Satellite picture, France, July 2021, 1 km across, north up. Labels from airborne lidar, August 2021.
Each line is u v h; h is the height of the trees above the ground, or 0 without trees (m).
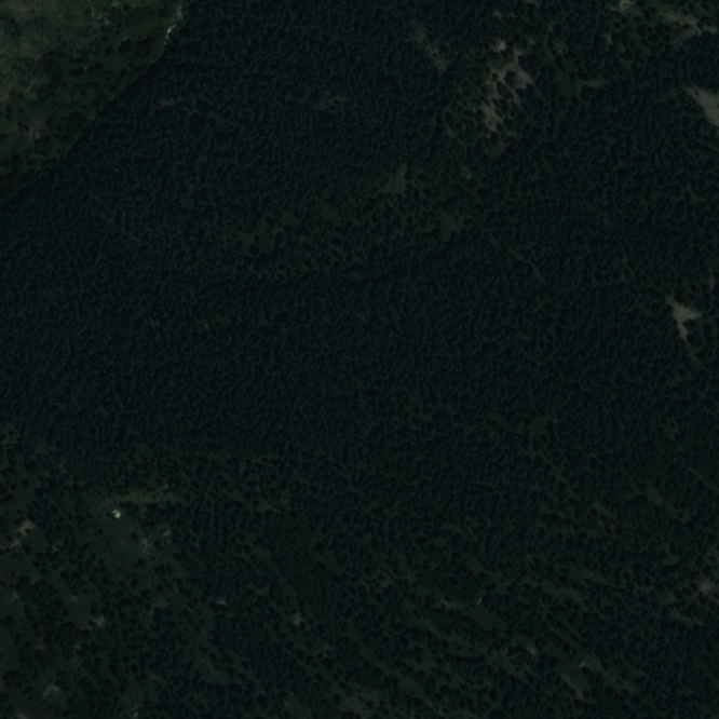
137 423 13
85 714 14
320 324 25
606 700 20
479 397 16
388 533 19
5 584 15
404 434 18
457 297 19
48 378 20
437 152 23
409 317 21
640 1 6
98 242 17
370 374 23
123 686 10
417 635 20
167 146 13
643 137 16
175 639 25
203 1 7
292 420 25
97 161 23
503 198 14
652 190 17
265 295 20
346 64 19
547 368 13
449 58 9
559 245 11
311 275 16
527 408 21
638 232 8
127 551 0
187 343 16
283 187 17
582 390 21
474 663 24
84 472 10
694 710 24
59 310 21
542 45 19
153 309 18
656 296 15
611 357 18
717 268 0
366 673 23
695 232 9
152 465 12
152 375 18
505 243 15
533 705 22
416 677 14
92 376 20
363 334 29
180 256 21
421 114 23
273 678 25
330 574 15
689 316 0
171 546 0
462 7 13
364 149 23
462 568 20
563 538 21
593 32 16
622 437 21
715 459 23
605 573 19
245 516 13
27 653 11
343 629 18
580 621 19
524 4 18
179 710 21
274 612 15
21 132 9
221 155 21
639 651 21
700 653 22
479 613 0
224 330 18
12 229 31
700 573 10
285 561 19
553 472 12
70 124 12
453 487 17
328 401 21
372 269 14
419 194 17
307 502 17
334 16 10
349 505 14
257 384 21
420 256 14
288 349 22
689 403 18
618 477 22
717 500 22
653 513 23
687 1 15
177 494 11
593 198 19
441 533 17
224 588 19
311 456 19
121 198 19
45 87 12
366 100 14
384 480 17
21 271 27
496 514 27
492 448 13
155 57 8
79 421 16
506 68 0
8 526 8
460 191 20
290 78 21
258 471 7
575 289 14
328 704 20
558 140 20
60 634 12
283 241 20
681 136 17
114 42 0
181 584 16
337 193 21
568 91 0
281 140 17
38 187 13
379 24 19
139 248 9
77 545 15
